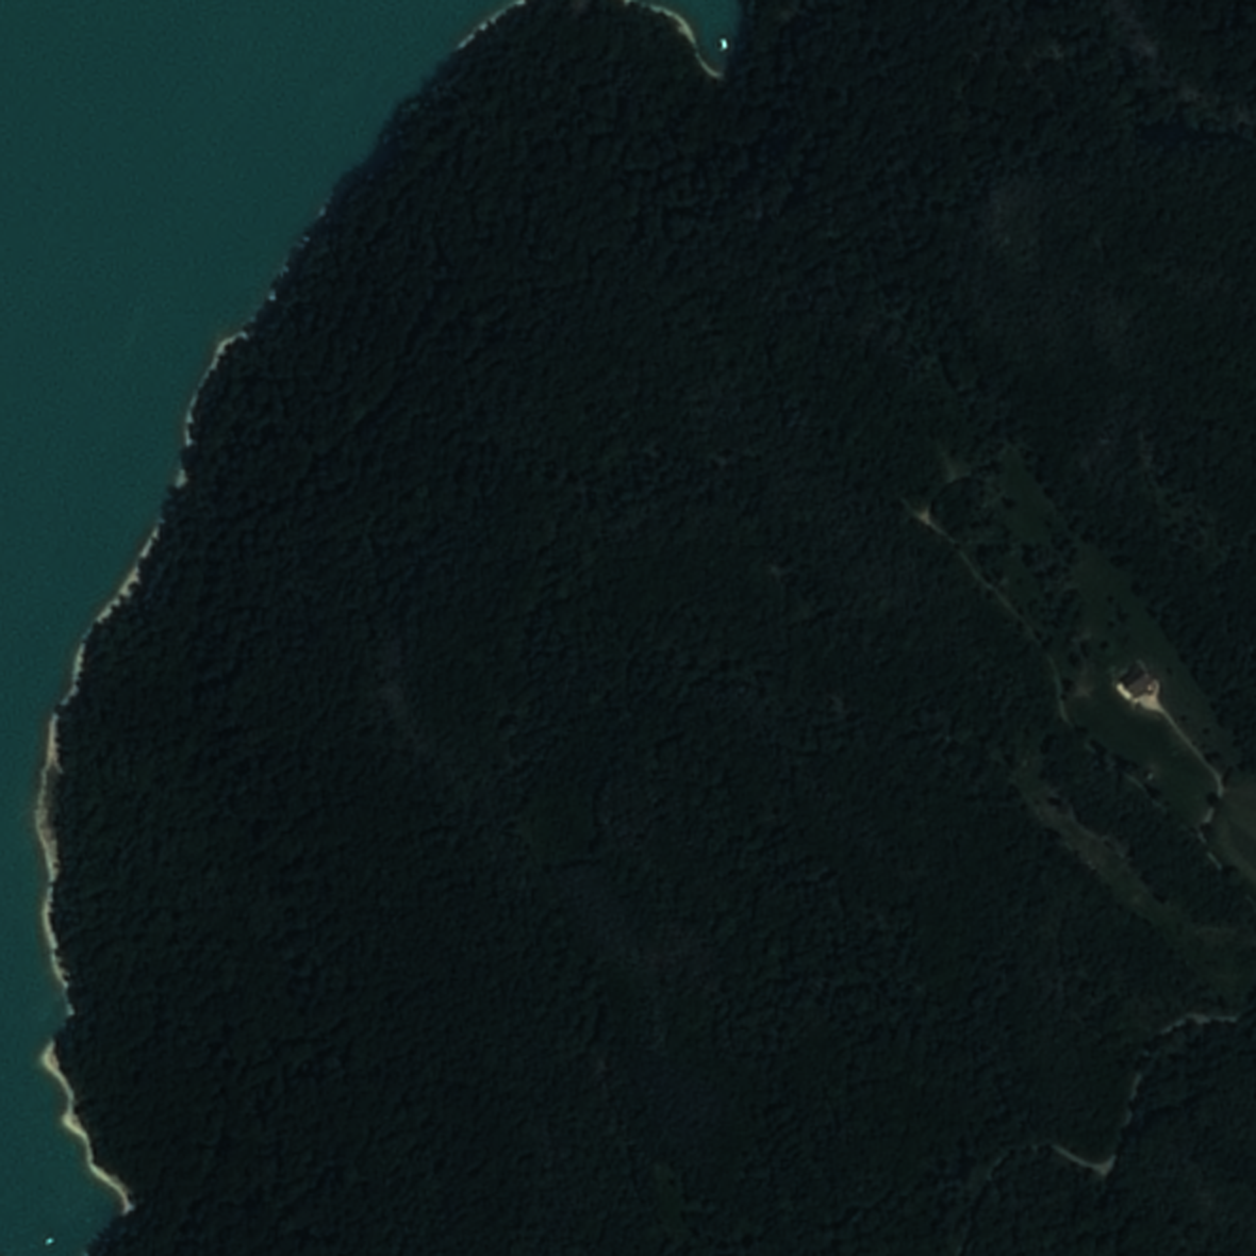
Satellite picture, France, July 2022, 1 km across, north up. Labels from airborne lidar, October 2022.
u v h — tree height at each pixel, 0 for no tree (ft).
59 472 0
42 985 0
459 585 64
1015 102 40
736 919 46
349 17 0
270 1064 94
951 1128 48
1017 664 26
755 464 37
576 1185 35
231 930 44
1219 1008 48
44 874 0
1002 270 26
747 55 72
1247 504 53
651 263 64
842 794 58
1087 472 31
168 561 73
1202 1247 46
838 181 69
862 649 60
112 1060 78
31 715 0
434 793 59
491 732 44
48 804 0
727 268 52
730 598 43
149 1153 98
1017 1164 34
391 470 93
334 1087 97
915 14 35
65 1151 0
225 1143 59
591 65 80
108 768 69
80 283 0
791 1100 70
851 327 35
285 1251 107
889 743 30
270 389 90
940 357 27
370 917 78
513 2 0
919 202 58
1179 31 75
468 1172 92
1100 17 94
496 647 51
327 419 90
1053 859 81
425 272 105
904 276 67
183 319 0
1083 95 38
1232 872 51
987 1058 57
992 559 68
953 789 45
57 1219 0
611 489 39
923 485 23
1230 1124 29
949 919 43
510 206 74
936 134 69
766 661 49
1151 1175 25
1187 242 34
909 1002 73
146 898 54
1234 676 63
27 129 0
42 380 0
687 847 68
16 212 0
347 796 101
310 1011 93
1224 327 38
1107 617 0
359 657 80
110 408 0
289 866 49
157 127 0
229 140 0
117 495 0
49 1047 0
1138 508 37
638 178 109
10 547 0
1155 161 30
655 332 32
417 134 84
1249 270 45
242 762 40
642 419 37
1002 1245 43
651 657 34
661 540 40
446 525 67
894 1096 57
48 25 0
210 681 48
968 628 30
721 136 68
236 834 73
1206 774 0
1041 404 45
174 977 81
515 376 64
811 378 28
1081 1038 47
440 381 82
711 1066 41
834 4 79
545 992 48
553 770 35
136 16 0
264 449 93
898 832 55
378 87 0
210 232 0
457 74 68
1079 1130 38
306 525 73
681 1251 32
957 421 28
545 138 49
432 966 91
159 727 54
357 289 81
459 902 87
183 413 0
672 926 57
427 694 52
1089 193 30
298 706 79
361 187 78
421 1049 95
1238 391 47
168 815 41
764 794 54
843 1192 77
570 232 70
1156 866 28
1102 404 27
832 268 57
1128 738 0
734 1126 38
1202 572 58
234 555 86
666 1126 39
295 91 0
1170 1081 79
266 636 65
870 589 29
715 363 67
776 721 67
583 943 38
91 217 0
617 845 54
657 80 73
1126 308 25
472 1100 82
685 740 61
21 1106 0
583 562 54
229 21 0
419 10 0
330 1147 102
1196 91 21
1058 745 47
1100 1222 23
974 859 41
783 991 54
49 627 0
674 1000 28
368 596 98
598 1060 55
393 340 98
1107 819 30
